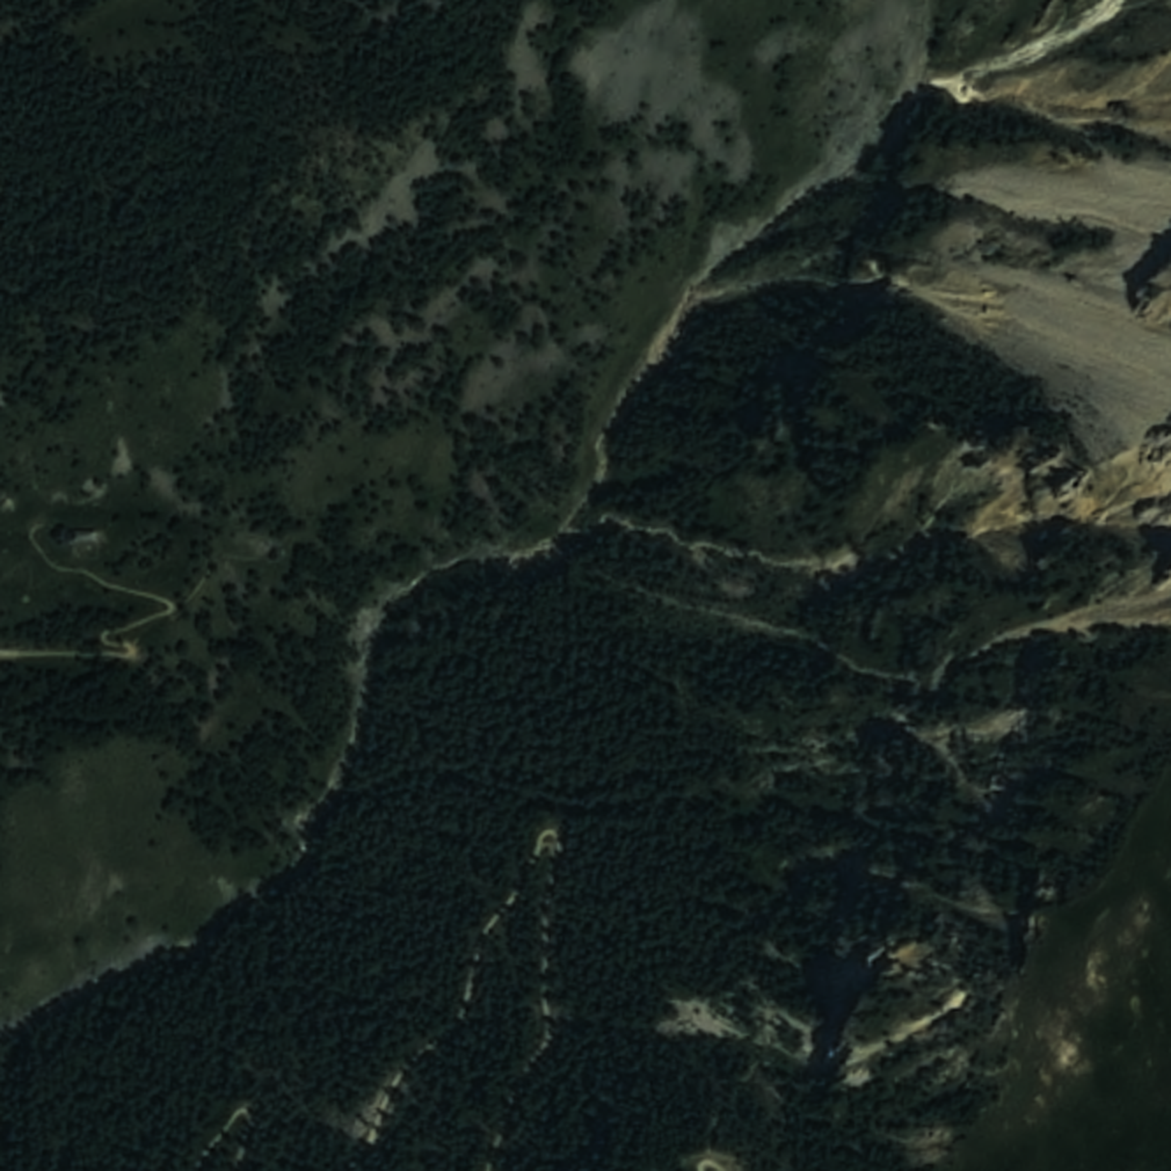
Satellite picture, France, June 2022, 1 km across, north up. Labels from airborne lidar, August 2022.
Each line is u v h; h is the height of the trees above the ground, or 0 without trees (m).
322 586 19
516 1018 25
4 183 17
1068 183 0
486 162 9
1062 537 20
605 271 18
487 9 24
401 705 28
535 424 18
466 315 0
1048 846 0
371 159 11
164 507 0
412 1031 26
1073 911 0
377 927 20
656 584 8
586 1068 17
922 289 0
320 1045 28
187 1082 27
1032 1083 0
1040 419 24
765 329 7
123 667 12
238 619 25
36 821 0
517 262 21
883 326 14
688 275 0
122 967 0
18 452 0
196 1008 26
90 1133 23
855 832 18
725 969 23
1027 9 0
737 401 16
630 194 10
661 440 21
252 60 17
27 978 0
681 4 0
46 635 11
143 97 9
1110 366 0
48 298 17
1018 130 16
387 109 15
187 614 13
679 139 10
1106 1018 0
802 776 11
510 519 26
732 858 23
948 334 9
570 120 18
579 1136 31
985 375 11
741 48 0
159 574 0
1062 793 14
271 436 15
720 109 0
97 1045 28
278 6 10
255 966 32
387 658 31
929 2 0
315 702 26
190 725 22
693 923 26
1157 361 0
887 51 0
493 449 19
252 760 25
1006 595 14
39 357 19
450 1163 13
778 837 19
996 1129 0
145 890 0
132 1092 22
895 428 0
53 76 19
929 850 15
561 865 21
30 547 0
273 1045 18
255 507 10
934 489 0
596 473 0
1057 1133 0
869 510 0
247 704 0
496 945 12
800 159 0
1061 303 0
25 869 0
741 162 0
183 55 12
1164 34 0
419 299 10
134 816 0
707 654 24
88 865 0
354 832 24
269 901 9
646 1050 23
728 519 0
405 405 14
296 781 25
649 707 24
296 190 13
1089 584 13
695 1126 16
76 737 16
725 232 0
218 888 0
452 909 18
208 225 23
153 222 20
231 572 0
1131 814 8
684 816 25
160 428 0
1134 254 0
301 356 22
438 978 22
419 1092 18
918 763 12
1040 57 0
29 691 17
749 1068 7
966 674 13
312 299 23
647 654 23
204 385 0
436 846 21
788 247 16
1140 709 0
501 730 32
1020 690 7
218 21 13
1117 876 0
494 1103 31
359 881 23
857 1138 7
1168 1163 0
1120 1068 0
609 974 18
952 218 7
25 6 16
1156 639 12
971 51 0
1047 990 0
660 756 19
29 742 16
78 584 0
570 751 29
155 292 20
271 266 23
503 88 11
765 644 7
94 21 0
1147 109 0
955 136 13
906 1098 13
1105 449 0
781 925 24
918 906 13
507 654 31
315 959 22
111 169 26
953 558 17
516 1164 25
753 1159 7
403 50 18
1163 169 0
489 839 19
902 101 0
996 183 0
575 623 26
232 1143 21
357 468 0
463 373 14
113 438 0
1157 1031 0
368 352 21
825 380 27
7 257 20
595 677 32
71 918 0
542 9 0
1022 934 9
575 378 13
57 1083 30
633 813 26
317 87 8
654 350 0
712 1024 0
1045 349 0
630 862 20
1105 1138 0
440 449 0
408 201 0
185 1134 26
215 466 17
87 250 18
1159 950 0
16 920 0
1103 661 12
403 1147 22
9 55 18
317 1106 26
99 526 0
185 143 21
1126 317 0
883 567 16
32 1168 27
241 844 24
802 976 15
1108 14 0
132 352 14
